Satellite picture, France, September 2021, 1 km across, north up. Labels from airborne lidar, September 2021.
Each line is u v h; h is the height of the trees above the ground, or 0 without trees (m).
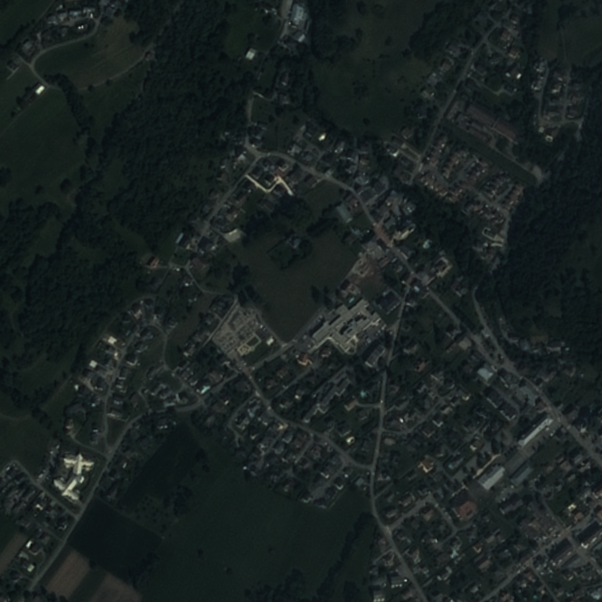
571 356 8
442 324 0
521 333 7
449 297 0
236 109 6
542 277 11
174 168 12
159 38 9
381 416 0
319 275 0
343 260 0
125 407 9
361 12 14
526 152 13
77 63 0
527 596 10
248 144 0
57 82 13
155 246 10
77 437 0
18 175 0
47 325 13
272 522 0
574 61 0
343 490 0
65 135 0
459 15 15
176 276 0
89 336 21
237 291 7
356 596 25
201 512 0
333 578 18
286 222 32
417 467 0
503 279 19
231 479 0
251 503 0
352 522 0
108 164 17
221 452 0
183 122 19
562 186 13
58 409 0
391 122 0
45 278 17
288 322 0
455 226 20
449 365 7
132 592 0
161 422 0
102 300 32
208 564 0
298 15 0
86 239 22
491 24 8
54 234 0
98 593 0
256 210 0
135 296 0
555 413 0
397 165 6
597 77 10
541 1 10
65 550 0
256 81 17
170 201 11
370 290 0
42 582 0
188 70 25
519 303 14
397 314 0
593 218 18
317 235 9
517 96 0
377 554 0
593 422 27
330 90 0
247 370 0
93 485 0
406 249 0
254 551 0
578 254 0
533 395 0
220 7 19
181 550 0
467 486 12
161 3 21
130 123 17
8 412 0
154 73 9
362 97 6
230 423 0
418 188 10
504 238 0
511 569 0
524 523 0
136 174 16
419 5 0
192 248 0
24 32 15
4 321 20
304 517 0
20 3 0
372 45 0
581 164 14
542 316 18
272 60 7
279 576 0
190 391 0
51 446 0
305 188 0
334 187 0
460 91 7
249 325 0
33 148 0
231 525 0
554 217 15
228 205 0
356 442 7
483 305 22
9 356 0
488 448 0
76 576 0
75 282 17
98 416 0
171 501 13
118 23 0
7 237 12
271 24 14
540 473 0
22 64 0
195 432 0
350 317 0
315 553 0
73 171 0
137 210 10
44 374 0
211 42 22
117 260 21
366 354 0
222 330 0
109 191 0
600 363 22
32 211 17
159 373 0
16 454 0
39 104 0
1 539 0
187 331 0
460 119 0
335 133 21
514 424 0
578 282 12
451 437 0
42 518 0
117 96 0
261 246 0
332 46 19
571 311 23
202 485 0
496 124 0
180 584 0
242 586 0
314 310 0
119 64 0
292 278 0
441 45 18
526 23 12
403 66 0
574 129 0
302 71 20
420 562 0
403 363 15
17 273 17
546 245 17
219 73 8
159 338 0
